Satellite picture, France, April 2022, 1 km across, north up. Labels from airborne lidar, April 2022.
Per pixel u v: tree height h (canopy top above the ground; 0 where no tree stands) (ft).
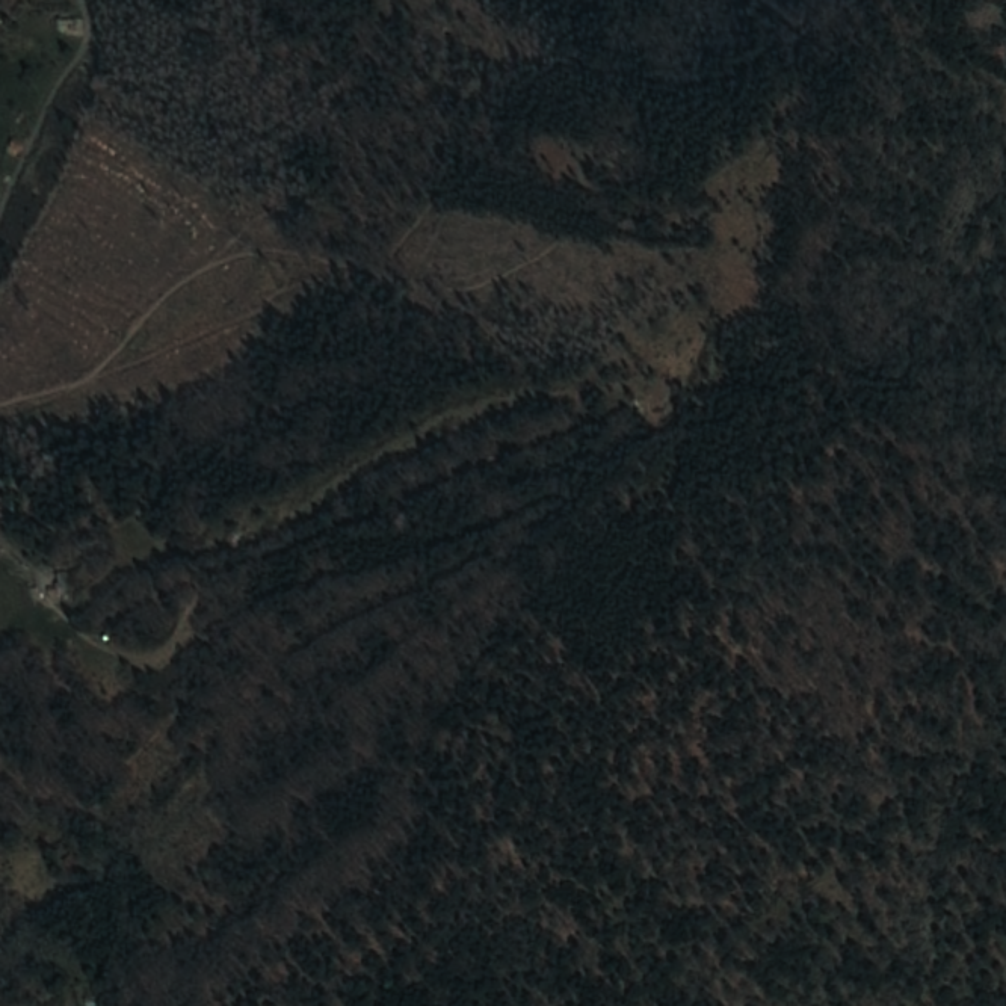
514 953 55
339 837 70
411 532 25
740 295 0
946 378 72
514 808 63
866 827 86
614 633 74
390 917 94
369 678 57
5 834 64
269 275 0
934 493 74
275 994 67
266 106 83
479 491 54
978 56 111
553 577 72
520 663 60
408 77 73
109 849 61
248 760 65
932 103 60
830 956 73
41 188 0
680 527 65
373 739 58
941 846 80
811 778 54
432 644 64
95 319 0
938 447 92
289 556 38
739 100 47
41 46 20
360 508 53
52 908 55
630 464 85
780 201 67
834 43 62
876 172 67
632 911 57
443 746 45
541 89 65
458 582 62
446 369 66
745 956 67
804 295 70
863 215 83
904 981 74
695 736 86
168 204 0
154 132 71
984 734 94
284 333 74
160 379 0
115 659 0
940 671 87
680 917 78
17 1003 33
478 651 63
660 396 0
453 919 58
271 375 77
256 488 64
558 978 103
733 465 91
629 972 69
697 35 84
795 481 74
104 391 0
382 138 75
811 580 64
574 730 100
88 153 0
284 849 47
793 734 85
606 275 0
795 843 94
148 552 0
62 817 72
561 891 39
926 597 83
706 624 62
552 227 68
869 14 60
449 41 0
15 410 0
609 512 55
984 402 76
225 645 65
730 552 60
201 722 64
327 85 62
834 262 79
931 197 72
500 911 67
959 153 58
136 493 30
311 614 79
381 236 74
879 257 94
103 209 0
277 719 82
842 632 70
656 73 68
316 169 69
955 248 30
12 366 0
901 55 88
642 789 47
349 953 71
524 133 54
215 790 68
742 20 64
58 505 38
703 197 52
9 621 0
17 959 84
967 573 73
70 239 0
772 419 66
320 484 0
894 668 68
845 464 98
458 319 55
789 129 79
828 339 76
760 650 73
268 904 57
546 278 0
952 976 56
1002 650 101
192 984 64
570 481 68
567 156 0
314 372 56
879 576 78
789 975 47
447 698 54
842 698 78
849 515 109
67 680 73
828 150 72
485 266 0
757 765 81
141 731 56
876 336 88
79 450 83
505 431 75
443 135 71
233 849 33
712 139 71
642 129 42
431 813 56
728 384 42
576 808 56
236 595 67
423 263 0
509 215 72
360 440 65
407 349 72
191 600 57
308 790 67
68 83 0
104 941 61
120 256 0
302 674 74
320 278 0
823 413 65
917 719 109
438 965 77
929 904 32
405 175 92
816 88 54
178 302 0
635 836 43
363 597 62
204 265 0
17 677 48
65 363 0
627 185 44
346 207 80
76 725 63
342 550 25
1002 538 84
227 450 68
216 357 0
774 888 91
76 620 75
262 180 76
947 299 53
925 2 62
